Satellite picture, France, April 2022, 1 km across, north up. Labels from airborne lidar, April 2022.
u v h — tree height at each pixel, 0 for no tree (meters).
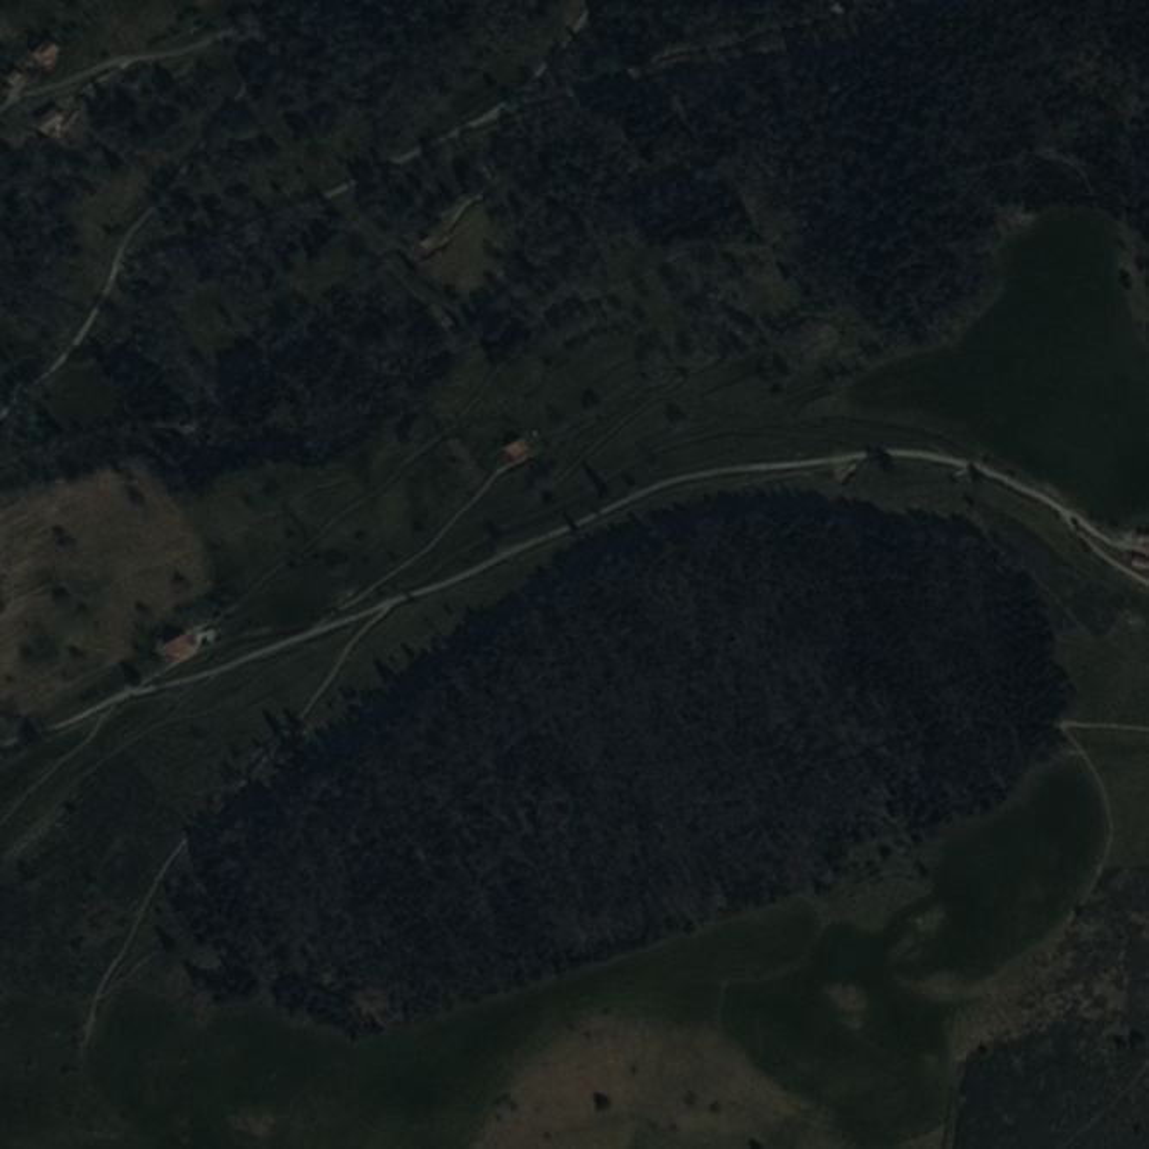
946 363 0
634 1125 0
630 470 0
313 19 28
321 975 21
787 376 18
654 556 22
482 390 0
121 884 0
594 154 22
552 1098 0
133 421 20
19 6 0
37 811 0
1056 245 0
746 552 23
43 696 0
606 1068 0
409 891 31
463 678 21
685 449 0
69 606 9
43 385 20
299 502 0
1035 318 0
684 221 25
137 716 0
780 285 0
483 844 25
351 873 26
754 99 16
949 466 0
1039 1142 0
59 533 7
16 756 6
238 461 23
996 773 23
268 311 21
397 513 0
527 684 24
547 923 23
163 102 9
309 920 24
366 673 0
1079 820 0
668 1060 0
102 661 0
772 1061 0
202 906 19
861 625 25
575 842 22
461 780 22
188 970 0
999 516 0
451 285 0
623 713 25
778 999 0
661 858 22
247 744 0
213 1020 0
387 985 22
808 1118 0
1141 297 0
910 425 0
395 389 19
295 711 0
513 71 0
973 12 24
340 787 27
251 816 20
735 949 0
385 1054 0
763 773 23
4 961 0
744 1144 0
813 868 18
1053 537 0
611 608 26
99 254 0
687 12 25
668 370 9
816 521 20
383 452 0
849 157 20
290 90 23
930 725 21
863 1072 0
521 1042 0
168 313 24
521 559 0
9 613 0
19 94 0
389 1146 0
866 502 0
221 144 21
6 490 23
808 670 24
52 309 25
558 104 16
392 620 0
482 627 11
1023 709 24
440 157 20
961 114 20
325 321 13
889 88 24
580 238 20
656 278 0
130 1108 0
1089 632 0
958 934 0
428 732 26
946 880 0
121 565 0
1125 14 24
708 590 20
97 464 7
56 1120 0
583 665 20
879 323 12
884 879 0
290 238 15
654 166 9
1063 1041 0
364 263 21
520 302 21
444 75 21
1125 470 0
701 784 23
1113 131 16
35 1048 0
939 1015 0
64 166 26
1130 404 0
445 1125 0
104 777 0
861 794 19
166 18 0
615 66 24
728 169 24
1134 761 0
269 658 0
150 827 0
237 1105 0
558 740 23
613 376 0
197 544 0
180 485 20
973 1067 0
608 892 22
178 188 13
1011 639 23
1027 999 0
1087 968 0
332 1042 0
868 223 21
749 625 23
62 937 0
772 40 12
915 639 23
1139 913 0
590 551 0
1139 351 0
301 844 25
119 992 0
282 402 28
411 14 22
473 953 21
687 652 26
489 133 0
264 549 0
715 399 0
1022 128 22
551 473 13
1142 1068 0
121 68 0
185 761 0
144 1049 0
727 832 25
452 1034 0
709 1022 0
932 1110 0
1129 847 0
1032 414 0
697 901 18
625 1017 0
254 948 20
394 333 18
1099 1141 0
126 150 13
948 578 22
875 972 0
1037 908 0
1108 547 0
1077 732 0
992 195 18
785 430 0
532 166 24
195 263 22
